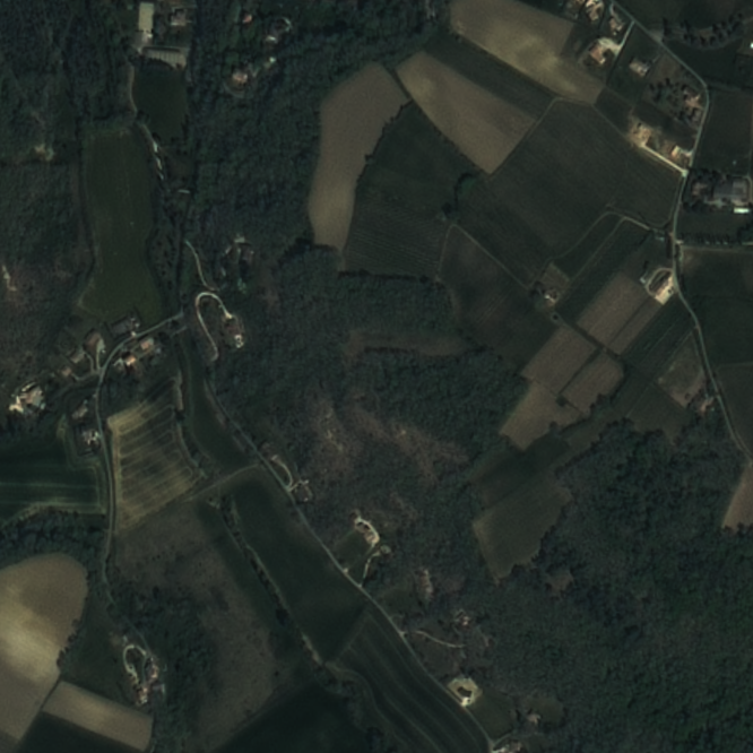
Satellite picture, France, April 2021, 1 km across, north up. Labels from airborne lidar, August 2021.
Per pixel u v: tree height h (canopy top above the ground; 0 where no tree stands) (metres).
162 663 0
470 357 12
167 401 0
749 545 19
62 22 21
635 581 22
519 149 0
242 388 11
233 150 18
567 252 0
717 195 0
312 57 23
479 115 0
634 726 21
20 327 16
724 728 20
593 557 18
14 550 17
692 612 17
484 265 0
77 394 0
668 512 19
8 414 0
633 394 0
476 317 0
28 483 0
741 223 0
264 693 0
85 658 0
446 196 0
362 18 19
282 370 12
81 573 0
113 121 16
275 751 0
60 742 0
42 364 7
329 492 10
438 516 21
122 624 19
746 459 14
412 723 0
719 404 10
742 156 0
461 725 0
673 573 20
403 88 0
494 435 17
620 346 0
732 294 0
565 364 0
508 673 19
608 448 14
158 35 11
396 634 0
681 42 0
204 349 21
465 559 17
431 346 0
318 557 0
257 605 0
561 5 0
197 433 0
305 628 0
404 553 19
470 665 12
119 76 7
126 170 0
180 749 20
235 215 17
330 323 14
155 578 0
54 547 18
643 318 0
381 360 19
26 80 24
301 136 21
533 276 0
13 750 0
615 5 0
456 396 11
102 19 17
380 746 21
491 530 0
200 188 14
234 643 0
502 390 17
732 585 24
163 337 10
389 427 6
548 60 0
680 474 20
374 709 0
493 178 0
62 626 0
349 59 21
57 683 0
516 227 0
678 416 0
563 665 19
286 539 0
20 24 20
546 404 0
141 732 0
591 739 16
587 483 18
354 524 15
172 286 8
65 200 7
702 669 20
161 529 0
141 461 0
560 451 0
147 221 0
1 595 0
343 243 0
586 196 0
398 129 0
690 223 0
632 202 0
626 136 0
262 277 0
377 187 0
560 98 0
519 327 0
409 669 0
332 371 18
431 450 8
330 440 0
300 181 15
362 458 9
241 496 0
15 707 0
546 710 0
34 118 21
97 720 0
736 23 9
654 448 18
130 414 0
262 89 7
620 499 17
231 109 14
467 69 0
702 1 0
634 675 16
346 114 0
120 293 0
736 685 18
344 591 0
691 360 0
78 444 0
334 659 0
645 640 17
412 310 19
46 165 17
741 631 19
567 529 19
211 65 15
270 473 0
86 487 0
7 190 16
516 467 0
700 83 10
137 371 6
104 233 0
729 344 0
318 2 6
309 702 0
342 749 0
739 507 0
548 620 16
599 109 0
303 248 13
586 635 15
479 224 0
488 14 0
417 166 0
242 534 8
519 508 0
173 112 0
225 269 14
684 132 0
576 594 18
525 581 20
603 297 0
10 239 13
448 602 10
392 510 10
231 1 14
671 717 21
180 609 9
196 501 0
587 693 20
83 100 23
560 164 0
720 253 0
